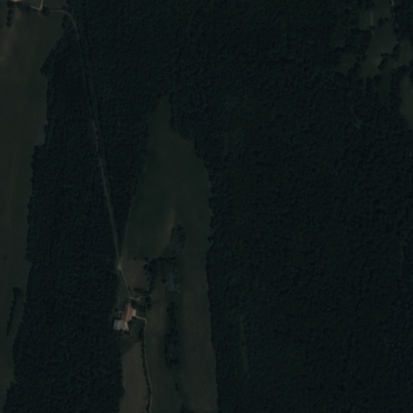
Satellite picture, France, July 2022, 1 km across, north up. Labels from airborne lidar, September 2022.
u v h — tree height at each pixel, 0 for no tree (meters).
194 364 0
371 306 28
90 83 15
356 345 31
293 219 31
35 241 8
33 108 0
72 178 20
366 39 9
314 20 11
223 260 15
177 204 0
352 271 27
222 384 19
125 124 11
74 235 23
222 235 19
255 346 13
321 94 26
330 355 21
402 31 16
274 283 26
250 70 27
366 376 28
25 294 0
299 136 23
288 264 26
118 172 15
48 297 18
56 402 21
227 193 15
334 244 22
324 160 27
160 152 0
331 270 28
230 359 8
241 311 13
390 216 9
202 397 0
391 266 19
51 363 26
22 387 21
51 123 18
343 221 22
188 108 24
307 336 24
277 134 27
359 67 21
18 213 0
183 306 0
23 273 0
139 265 0
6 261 0
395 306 22
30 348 26
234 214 19
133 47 9
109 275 23
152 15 19
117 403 22
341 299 27
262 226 29
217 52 24
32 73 0
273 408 18
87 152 16
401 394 27
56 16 0
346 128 28
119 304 0
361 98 29
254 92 25
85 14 10
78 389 21
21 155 0
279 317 30
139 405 0
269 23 8
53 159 9
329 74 24
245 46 19
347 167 10
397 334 27
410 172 22
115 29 13
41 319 28
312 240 20
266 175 29
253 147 24
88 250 18
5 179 0
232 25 12
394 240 22
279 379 20
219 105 23
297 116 27
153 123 0
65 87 18
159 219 0
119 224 9
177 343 13
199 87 33
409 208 21
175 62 29
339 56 25
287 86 27
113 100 15
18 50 0
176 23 23
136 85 11
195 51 34
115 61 10
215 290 22
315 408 36
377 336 27
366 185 12
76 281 18
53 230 10
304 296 25
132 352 0
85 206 19
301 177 25
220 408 10
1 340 0
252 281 14
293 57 14
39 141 0
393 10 11
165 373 0
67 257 24
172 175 0
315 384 31
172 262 11
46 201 8
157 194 0
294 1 15
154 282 13
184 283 0
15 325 0
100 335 24
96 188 20
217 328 19
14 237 0
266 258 30
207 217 0
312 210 25
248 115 23
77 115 8
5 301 0
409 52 0
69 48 20
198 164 0
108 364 19
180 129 26
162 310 0
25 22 0
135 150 14
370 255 25
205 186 0
